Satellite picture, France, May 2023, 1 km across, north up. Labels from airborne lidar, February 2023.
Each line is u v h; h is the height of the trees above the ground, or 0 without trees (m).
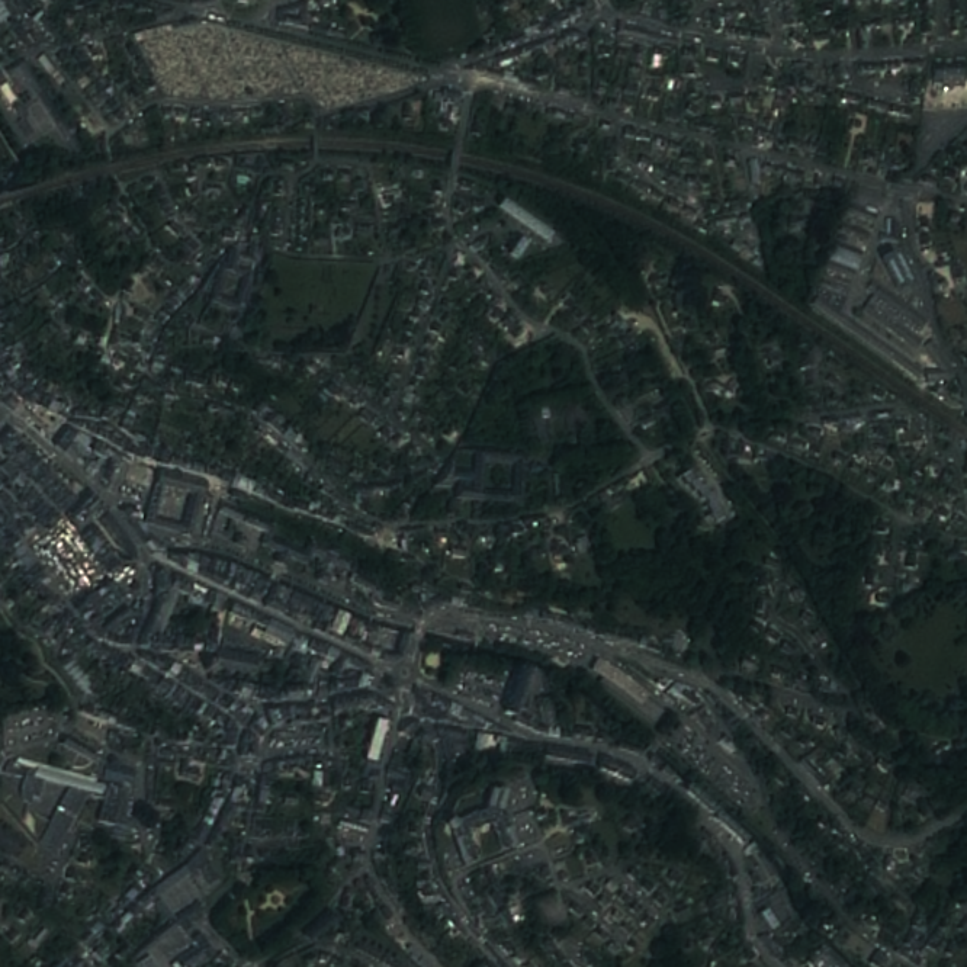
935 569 10
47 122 0
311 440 9
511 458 0
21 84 0
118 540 0
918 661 0
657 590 10
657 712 0
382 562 8
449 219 0
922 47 0
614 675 0
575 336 7
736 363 20
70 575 0
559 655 0
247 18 0
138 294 0
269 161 5
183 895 0
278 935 19
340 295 0
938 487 9
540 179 0
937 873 14
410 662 0
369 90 0
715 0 0
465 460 0
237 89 0
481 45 13
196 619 17
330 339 13
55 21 7
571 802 11
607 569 16
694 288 25
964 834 19
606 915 0
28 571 0
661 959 13
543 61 9
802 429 7
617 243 14
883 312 0
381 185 0
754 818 0
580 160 9
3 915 7
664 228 0
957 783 23
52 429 0
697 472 0
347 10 12
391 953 0
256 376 0
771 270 12
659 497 9
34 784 0
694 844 9
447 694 0
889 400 0
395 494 11
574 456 19
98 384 11
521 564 14
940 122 0
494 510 8
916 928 0
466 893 0
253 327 12
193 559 0
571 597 16
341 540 13
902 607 20
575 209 5
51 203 7
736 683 13
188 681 0
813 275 16
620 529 0
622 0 15
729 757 0
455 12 0
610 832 0
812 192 7
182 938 0
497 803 0
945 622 0
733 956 8
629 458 15
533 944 11
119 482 0
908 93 0
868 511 10
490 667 21
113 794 0
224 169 0
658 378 6
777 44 0
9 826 7
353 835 0
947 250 0
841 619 22
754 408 19
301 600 0
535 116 7
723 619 22
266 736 0
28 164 19
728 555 22
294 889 0
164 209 0
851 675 8
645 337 0
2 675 28
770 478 7
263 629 0
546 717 0
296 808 0
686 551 7
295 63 0
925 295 0
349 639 0
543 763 6
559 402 10
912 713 23
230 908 18
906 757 12
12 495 0
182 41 0
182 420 0
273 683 10
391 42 19
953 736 7
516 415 7
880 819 0
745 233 0
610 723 7
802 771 0
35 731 0
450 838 0
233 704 0
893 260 0
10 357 0
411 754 8
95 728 0
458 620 0
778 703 0
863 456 0
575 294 8
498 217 10
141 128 0
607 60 7
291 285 0
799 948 8
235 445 12
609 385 12
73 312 15
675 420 17
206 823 0
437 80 0
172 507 0
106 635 0
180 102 0
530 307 11
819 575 18
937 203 11
